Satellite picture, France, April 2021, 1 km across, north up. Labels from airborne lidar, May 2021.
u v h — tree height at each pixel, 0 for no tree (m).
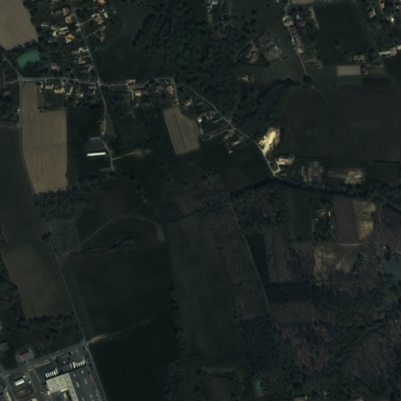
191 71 16
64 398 0
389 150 0
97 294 0
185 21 10
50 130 0
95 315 0
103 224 0
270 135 0
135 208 0
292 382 12
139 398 0
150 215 0
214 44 12
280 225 19
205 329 0
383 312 10
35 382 0
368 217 0
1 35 0
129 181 0
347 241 21
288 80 0
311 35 0
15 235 0
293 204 0
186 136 0
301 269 14
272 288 15
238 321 13
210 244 0
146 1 15
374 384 17
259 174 0
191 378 0
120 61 0
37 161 0
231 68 19
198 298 0
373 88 0
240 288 9
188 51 21
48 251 0
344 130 0
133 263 0
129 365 0
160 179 0
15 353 0
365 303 23
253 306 11
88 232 0
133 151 0
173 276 0
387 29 14
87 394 0
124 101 11
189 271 0
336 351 15
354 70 0
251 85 0
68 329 0
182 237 0
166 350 0
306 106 0
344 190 11
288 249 16
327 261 0
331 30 0
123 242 6
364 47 0
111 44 0
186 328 0
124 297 0
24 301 0
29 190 0
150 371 0
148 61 0
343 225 22
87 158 0
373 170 0
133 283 0
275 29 0
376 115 0
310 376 14
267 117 19
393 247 11
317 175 0
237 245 13
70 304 0
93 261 0
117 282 0
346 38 0
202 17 0
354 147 0
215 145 0
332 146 0
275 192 11
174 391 10
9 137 0
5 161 0
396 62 0
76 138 0
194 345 0
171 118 0
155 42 14
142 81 0
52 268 0
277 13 0
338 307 18
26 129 0
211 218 8
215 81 19
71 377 0
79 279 0
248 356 13
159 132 0
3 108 8
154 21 18
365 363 20
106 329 0
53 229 0
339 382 16
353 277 15
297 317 14
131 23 0
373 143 0
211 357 0
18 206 0
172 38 20
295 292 16
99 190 8
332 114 0
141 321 0
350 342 19
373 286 16
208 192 9
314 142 0
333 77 0
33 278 0
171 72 15
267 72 0
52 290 0
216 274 0
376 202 13
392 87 0
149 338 0
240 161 0
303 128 0
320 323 8
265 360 13
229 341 0
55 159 0
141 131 0
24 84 0
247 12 0
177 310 15
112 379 0
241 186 0
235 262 13
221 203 9
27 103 0
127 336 0
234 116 9
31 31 0
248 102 11
